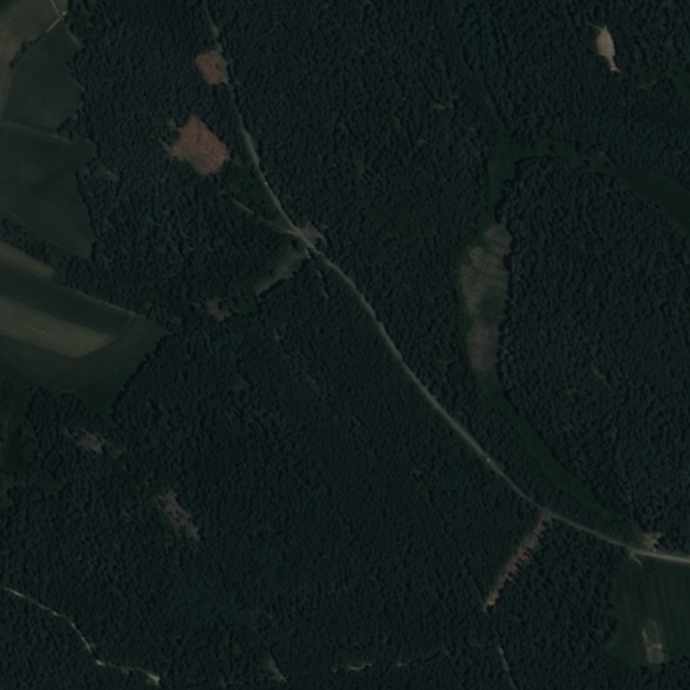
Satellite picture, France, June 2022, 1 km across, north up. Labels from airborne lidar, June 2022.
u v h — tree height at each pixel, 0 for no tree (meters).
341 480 26
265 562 34
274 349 25
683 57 21
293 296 27
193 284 28
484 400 17
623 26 11
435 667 28
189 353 16
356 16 29
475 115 16
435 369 28
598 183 30
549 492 21
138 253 21
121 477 21
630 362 25
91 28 10
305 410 27
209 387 32
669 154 30
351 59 33
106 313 0
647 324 27
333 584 26
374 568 26
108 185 22
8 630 24
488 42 35
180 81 20
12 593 9
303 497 27
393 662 17
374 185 24
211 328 17
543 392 26
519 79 28
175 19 22
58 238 0
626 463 23
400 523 27
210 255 23
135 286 17
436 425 19
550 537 28
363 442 28
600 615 27
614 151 30
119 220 26
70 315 0
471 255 0
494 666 28
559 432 23
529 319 29
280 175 15
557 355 26
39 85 0
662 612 0
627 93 11
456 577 23
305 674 27
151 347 0
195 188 17
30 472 10
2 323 0
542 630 32
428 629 25
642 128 36
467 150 24
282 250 27
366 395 24
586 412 25
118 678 24
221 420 28
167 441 28
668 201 0
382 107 29
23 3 0
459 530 31
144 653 27
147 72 21
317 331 22
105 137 21
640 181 0
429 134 23
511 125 21
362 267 28
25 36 0
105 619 10
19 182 0
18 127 0
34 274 0
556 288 24
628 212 29
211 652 20
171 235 21
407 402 25
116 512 20
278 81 27
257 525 26
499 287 0
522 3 34
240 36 23
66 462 28
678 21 13
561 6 29
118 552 24
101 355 0
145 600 25
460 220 20
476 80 28
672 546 28
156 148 18
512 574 0
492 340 0
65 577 17
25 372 0
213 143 0
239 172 19
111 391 0
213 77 0
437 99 32
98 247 22
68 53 0
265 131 23
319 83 28
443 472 20
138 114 18
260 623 12
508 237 0
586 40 31
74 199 0
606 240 23
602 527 23
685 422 22
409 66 32
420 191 21
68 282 9
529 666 28
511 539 28
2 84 0
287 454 26
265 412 26
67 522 29
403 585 27
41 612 24
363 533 25
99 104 17
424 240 20
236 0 25
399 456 26
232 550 33
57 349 0
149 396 29
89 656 19
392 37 33
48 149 0
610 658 31
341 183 28
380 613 30
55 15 0
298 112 26
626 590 0
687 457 25
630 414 27
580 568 31
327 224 22
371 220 28
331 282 26
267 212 20
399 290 29
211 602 21
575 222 28
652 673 34
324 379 22
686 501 29
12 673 20
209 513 27
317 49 29
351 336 20
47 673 22
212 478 18
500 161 0
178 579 24
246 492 28
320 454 26
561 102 20
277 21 24
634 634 0
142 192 19
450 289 23
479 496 27
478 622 22
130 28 20
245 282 29
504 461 23
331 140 28
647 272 20
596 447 13
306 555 31
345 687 23
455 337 12
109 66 19
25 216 0
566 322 27
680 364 26
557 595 33
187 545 9
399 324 24
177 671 20
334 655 7
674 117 16
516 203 30
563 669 32
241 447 22
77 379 0
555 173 16
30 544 27
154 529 15
